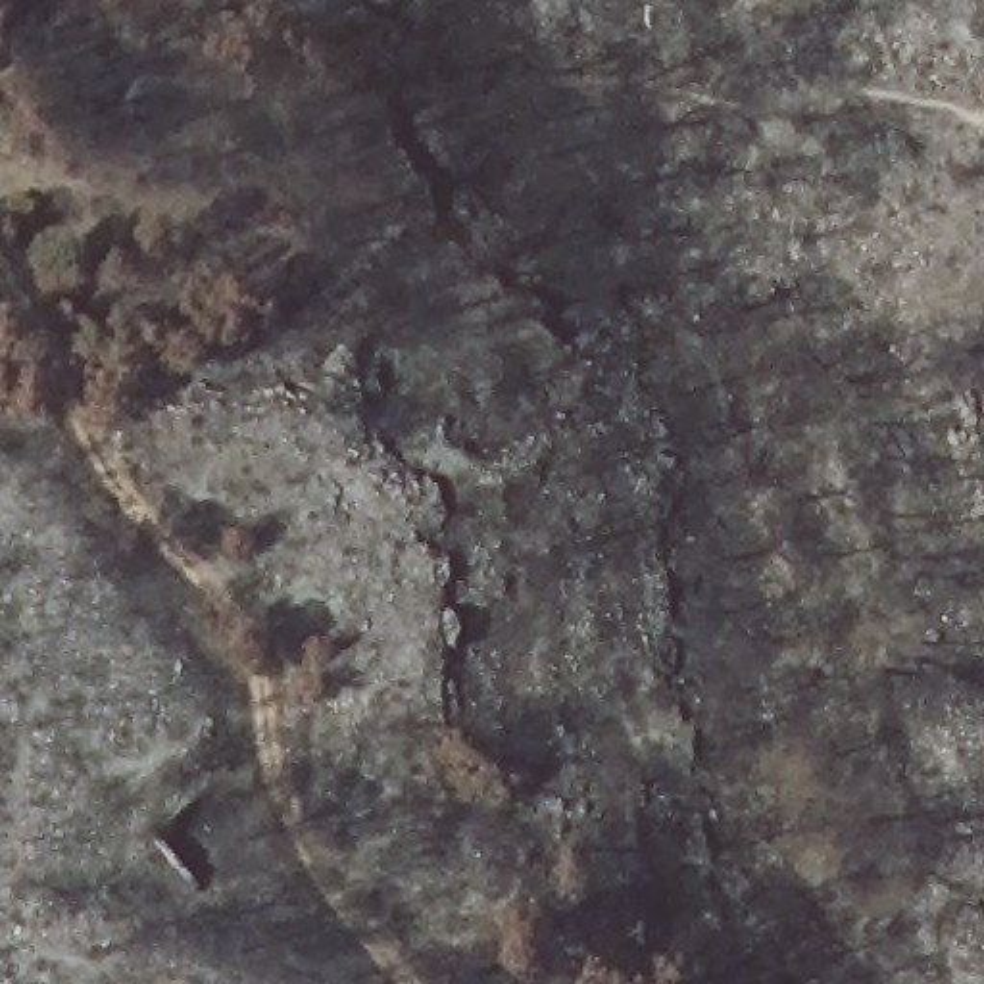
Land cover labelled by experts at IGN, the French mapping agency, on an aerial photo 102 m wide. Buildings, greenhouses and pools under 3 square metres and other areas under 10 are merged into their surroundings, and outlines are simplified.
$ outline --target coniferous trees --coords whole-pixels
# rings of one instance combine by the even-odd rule
[[[200,8],[192,8],[185,23],[185,81],[204,96],[208,111],[215,111],[223,123],[250,123],[254,135],[265,142],[292,142],[300,127],[304,85],[311,85],[315,92],[334,92],[334,77],[327,73],[327,62],[315,54],[315,38],[308,27],[269,23],[246,0],[204,0]]]
[[[361,765],[365,757],[373,757],[373,750],[357,734],[346,765],[334,761],[334,753],[319,753],[311,761],[281,761],[281,769],[292,776],[300,815],[311,823],[319,842],[334,849],[354,849],[361,838],[384,834],[392,815],[415,815],[431,826],[423,849],[434,861],[446,861],[461,846],[457,830],[473,834],[484,849],[484,865],[492,873],[511,873],[515,880],[523,880],[523,888],[519,903],[504,915],[504,923],[492,923],[488,915],[469,915],[465,930],[477,934],[480,946],[500,949],[500,965],[507,972],[523,972],[527,934],[538,919],[538,903],[557,892],[557,857],[546,849],[546,830],[523,819],[523,811],[534,800],[504,792],[500,769],[473,753],[457,730],[450,730],[438,746],[419,750],[419,765],[434,765],[434,780],[404,784],[392,800],[381,796],[381,784],[361,776]]]
[[[577,972],[577,984],[677,984],[677,965],[669,957],[653,957],[650,976],[623,976],[615,969],[603,969],[600,957],[592,957]]]
[[[8,427],[38,431],[46,415],[69,415],[81,404],[92,423],[119,431],[123,423],[150,419],[150,411],[177,404],[177,392],[200,373],[200,365],[238,361],[281,346],[284,331],[277,319],[277,300],[254,300],[238,292],[231,273],[215,277],[204,258],[181,269],[169,227],[161,227],[154,246],[142,250],[135,238],[135,215],[108,215],[81,242],[69,242],[58,223],[65,223],[65,204],[73,200],[69,192],[31,188],[19,196],[0,196],[0,434]]]

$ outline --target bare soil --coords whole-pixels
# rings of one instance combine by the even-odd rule
[[[238,292],[254,300],[277,300],[277,319],[284,331],[281,346],[238,361],[200,365],[200,373],[177,392],[177,404],[150,411],[150,419],[123,423],[119,431],[127,477],[158,507],[150,523],[142,523],[131,519],[119,507],[119,496],[100,484],[85,457],[85,446],[69,427],[69,415],[46,415],[38,431],[8,427],[0,434],[0,984],[396,984],[392,972],[369,957],[369,942],[392,942],[400,957],[415,969],[415,976],[423,976],[427,984],[577,984],[577,972],[592,957],[600,957],[603,969],[615,969],[623,976],[650,976],[653,957],[669,957],[677,965],[677,984],[984,984],[984,0],[246,0],[269,23],[308,27],[315,38],[315,54],[327,62],[327,73],[334,77],[334,92],[315,92],[311,85],[304,85],[300,127],[292,142],[265,142],[254,135],[250,123],[223,123],[215,111],[208,111],[204,96],[185,81],[185,23],[192,8],[200,8],[204,0],[0,0],[0,196],[19,196],[31,188],[69,192],[73,200],[65,204],[65,223],[58,223],[69,242],[81,242],[108,215],[135,215],[135,238],[142,250],[154,246],[161,227],[169,227],[181,269],[204,258],[215,277],[231,273]],[[504,792],[534,800],[523,811],[523,819],[546,830],[546,849],[557,857],[557,892],[538,903],[538,919],[527,934],[523,972],[507,972],[500,965],[500,949],[480,946],[477,934],[465,930],[469,915],[488,915],[492,923],[504,923],[504,915],[519,903],[523,888],[523,880],[515,880],[511,873],[492,873],[484,865],[484,849],[473,834],[457,830],[461,846],[446,861],[434,861],[423,849],[431,826],[415,815],[392,815],[384,834],[361,838],[354,849],[334,849],[319,842],[311,823],[300,815],[292,776],[281,769],[281,761],[311,761],[319,753],[334,753],[334,761],[346,765],[357,734],[373,750],[373,757],[365,757],[361,765],[361,776],[381,784],[381,796],[392,800],[404,784],[434,780],[434,765],[419,765],[419,750],[438,746],[450,730],[457,730],[473,753],[500,769]]]

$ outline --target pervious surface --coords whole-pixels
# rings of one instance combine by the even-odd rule
[[[158,507],[127,477],[119,431],[92,423],[81,404],[69,415],[69,427],[85,446],[85,457],[100,484],[119,496],[119,507],[131,519],[142,523],[150,523]]]
[[[427,984],[423,976],[415,976],[415,969],[400,957],[392,942],[369,942],[369,957],[392,972],[396,984]]]

